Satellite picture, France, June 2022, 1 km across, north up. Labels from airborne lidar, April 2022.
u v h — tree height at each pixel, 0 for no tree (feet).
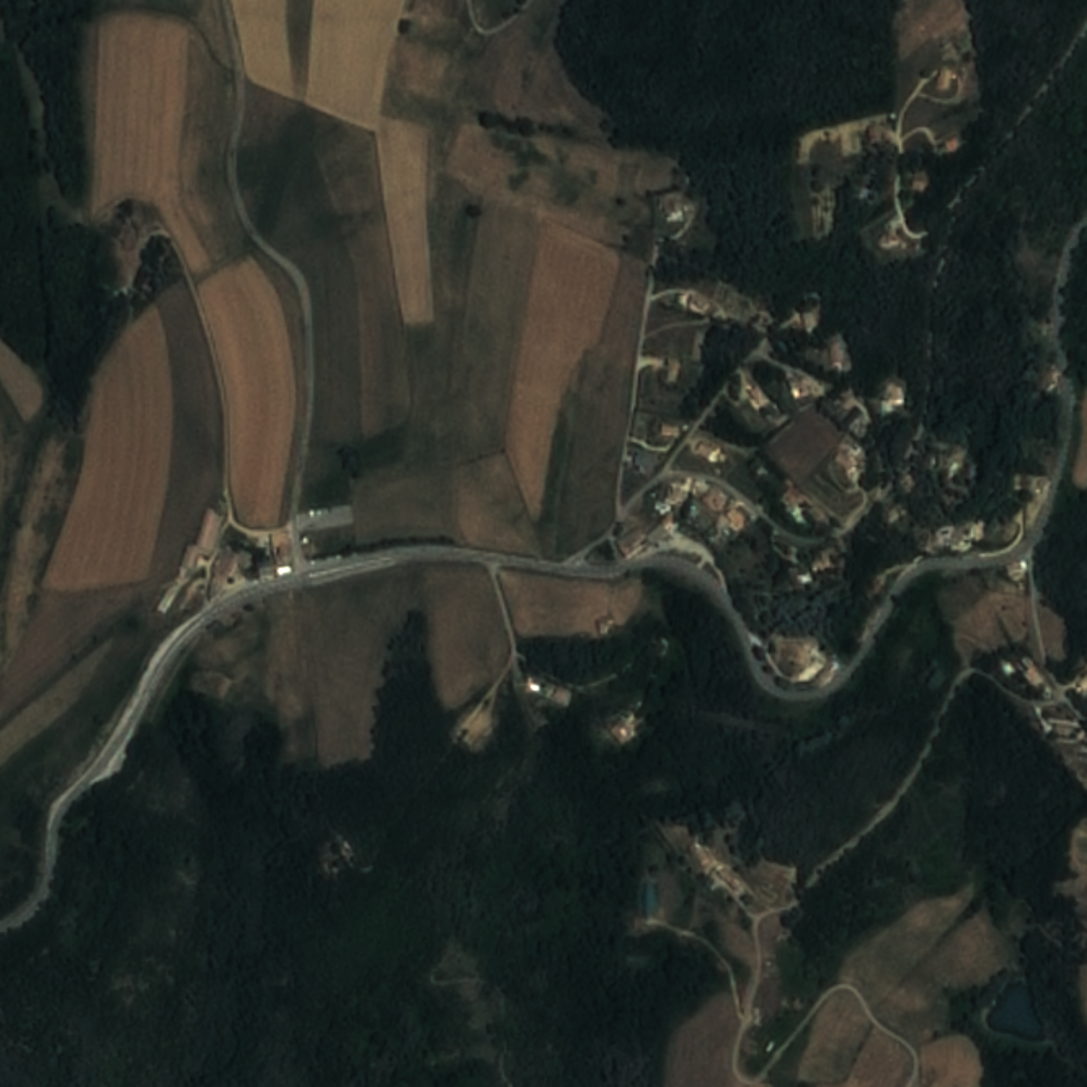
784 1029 0
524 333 0
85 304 55
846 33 53
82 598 0
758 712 29
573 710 35
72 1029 22
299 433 0
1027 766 35
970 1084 0
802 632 61
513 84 0
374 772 22
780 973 0
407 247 0
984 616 0
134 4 0
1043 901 42
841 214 31
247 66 0
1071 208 32
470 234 0
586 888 35
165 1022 23
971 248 48
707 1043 0
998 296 42
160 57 0
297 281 0
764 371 31
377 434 0
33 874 20
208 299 0
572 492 0
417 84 0
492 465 0
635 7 45
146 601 0
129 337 0
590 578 0
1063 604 29
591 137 0
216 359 0
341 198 0
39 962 24
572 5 47
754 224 48
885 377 28
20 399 0
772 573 23
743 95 26
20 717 0
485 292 0
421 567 0
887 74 45
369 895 21
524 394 0
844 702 36
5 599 0
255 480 0
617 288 0
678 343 0
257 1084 30
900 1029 0
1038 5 25
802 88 49
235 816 38
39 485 0
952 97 0
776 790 37
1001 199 27
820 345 32
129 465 0
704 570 0
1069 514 18
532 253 0
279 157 0
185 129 0
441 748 23
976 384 37
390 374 0
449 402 0
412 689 32
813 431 0
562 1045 32
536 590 0
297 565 0
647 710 31
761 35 45
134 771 23
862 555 43
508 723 26
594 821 30
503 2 0
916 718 24
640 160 0
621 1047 35
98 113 0
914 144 0
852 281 44
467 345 0
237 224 0
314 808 41
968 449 36
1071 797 40
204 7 0
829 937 33
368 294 0
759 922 0
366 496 0
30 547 0
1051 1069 40
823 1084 0
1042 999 31
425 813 29
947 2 0
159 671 0
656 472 0
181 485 0
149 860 38
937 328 49
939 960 0
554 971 46
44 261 46
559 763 44
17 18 46
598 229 0
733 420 37
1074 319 40
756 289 45
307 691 0
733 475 0
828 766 44
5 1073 33
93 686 0
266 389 0
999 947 0
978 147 35
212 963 35
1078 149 51
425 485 0
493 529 0
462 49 0
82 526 0
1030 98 22
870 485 27
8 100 43
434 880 39
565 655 20
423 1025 31
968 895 0
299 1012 30
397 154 0
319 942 28
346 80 0
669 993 55
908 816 26
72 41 40
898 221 0
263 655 0
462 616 0
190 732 98
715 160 44
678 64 40
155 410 0
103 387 0
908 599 36
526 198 0
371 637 0
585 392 0
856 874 26
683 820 45
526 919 32
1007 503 43
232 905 29
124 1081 23
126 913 28
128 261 0
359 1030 27
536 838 23
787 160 34
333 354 0
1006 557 0
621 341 0
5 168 40
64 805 0
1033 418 94
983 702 44
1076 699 21
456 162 0
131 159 0
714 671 30
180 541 0
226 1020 24
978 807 62
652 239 0
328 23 0
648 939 29
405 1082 24
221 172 0
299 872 40
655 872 25
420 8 0
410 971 32
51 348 38
